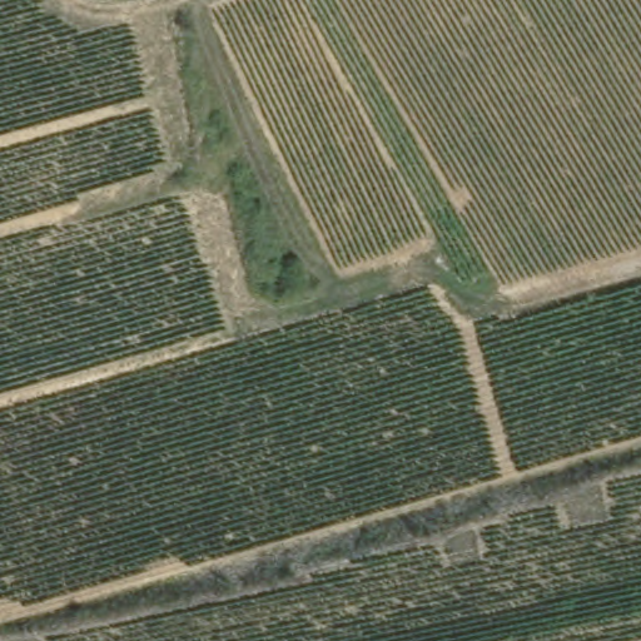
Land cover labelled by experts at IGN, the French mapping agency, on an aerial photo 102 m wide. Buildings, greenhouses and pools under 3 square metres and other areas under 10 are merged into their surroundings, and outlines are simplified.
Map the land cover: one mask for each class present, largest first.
<instances>
[{"label":"vineyard","instance_id":"1","mask_svg":"<svg viewBox=\"0 0 641 641\"><path fill-rule=\"evenodd\" d=\"M208 20L228 55L230 68L235 70L250 113L308 228L313 230L331 270L341 278H348L386 265L408 263L411 258L431 250L433 243L441 248L436 265L441 268L436 270V285H431L428 290L416 285L396 290L386 298L361 300L338 313L323 310L313 321H295L285 328H273L230 343L220 331L223 321L213 298L210 275L198 255L185 205L178 198H153L135 205L115 200L120 193L113 183L145 175L153 165L163 163L150 113L138 110L130 115H120L115 108L118 103L143 98L140 60L133 45L130 28L120 23L80 33L78 28L65 25L60 20L58 0H0V636L10 633L5 621L50 613L68 603L105 598L168 578L223 571L225 566L250 568L255 561H265L273 551H278V546H313L318 541L336 538L348 531H358L361 526L406 516L413 511H426L436 503H446L453 498H468L488 488L506 486L511 481L563 471L591 458L641 448V275L596 290L576 293L568 298H558L536 308H523L516 318L486 315L476 326L458 308L463 303H486L498 290V285H511L531 275L551 273L556 268H571L583 260L641 248V0H240L218 10H208ZM376 556L363 558L358 563L348 561V568L341 571L313 573V581L308 583L240 596L233 601H208L178 611H165V606L158 603L138 606L103 618H75L70 623H55L43 628L48 641H641V463L601 473L598 478L561 488L543 498H516L513 503L501 506L493 516H481L476 521L453 526L436 536L408 533L396 543L371 546Z\"/></svg>","mask_w":641,"mask_h":641},{"label":"herbaceous vegetation","instance_id":"2","mask_svg":"<svg viewBox=\"0 0 641 641\"><path fill-rule=\"evenodd\" d=\"M60 20L65 25L78 28L80 33L120 23L130 28L133 45L140 60L143 98L118 103L115 108L120 115H130L138 110L150 113L163 163L153 165L145 175L113 183L120 193L115 200L135 205L153 198H178L185 205L198 255L210 275L213 298L223 321L220 331L230 343L273 328H285L295 321H313L323 310L338 313L361 300L386 298L396 290L416 285L428 290L431 285H436V270L441 268L436 265L441 248L433 243L431 250L411 258L408 263L386 265L348 278H341L331 270L313 230L308 228L250 113L235 70L230 68L228 55L208 20V10H218L240 0H58ZM230 160L245 163V173H250L258 183L255 195L270 203L273 218L278 220V228L283 233L280 263H293L298 258L305 273L318 280V293L305 295L295 305H283L280 300L253 295L245 285L240 253L235 248L230 228V208L225 200L230 195L225 175ZM641 275V248L583 260L571 268H556L551 273L531 275L511 285H498V290L486 303H463L458 308L476 326L486 315L516 318L523 308H536L558 298H568L576 293L596 290Z\"/></svg>","mask_w":641,"mask_h":641},{"label":"brushwood","instance_id":"3","mask_svg":"<svg viewBox=\"0 0 641 641\"><path fill-rule=\"evenodd\" d=\"M225 175L230 195L225 200L230 208V228L235 248L240 253L245 285L253 295L280 300L283 305H295L305 295L318 293V280L305 273L298 258L293 263H280L283 233L278 228V220L273 218L270 203L255 195L258 183L250 173H245V163L230 160ZM641 463V448L591 458L563 471L511 481L506 486L488 488L468 498H453L446 503H436L426 511H413L406 516L361 526L358 531H348L336 538L318 541L313 546H278V551H273L265 561H255L250 568L225 566L223 571L168 578L105 598L68 603L50 613L5 621L10 633L0 636V641H48L43 628L55 623H70L75 618H103L138 606L158 603L165 606V611H178L208 601H233L240 596L308 583L313 581V573L341 571L348 568V561L358 563L363 558L376 556L371 546L396 543L408 533L436 536L453 526L476 521L481 516H493L501 506L513 503L516 498H543L561 488L598 478L601 473Z\"/></svg>","mask_w":641,"mask_h":641}]
</instances>
